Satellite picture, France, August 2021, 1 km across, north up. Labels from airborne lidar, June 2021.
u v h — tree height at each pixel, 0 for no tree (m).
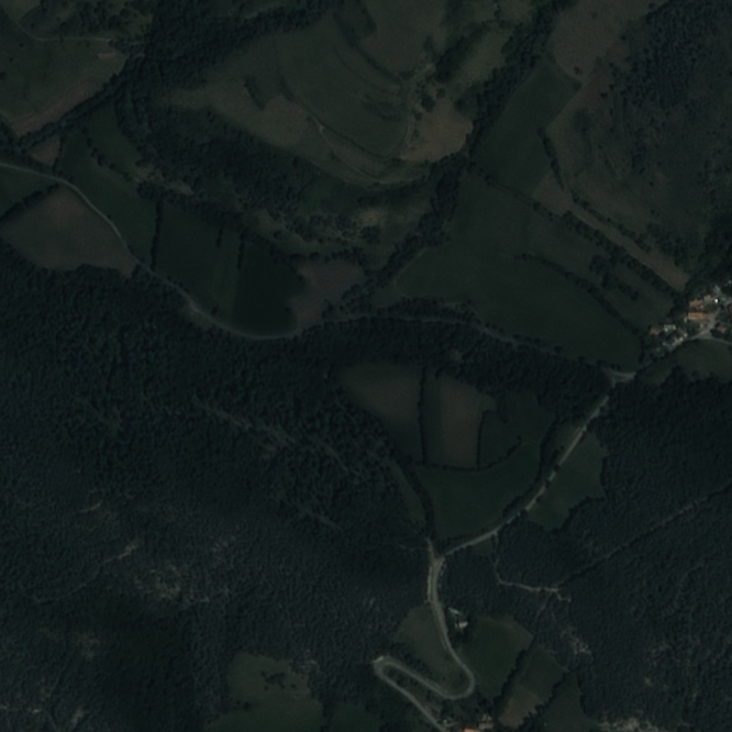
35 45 0
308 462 22
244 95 0
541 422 0
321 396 28
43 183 0
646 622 15
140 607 13
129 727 12
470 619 12
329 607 11
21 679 11
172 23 8
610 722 8
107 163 9
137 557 7
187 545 10
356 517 17
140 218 0
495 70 11
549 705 6
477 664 0
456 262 0
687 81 13
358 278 0
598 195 0
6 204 0
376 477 16
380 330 15
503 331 8
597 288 9
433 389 0
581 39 0
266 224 0
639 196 0
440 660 0
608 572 13
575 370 18
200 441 20
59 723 9
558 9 9
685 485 19
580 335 0
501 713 14
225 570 8
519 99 0
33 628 8
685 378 12
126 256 0
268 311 0
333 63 0
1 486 19
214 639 13
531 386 20
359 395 0
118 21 9
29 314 24
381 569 11
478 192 0
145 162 11
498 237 0
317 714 0
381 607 10
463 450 0
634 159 9
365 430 24
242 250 10
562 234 0
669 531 11
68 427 24
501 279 0
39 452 16
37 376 25
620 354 0
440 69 10
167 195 14
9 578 19
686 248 12
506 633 0
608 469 11
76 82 0
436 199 14
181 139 14
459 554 9
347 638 13
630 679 10
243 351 11
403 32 0
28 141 7
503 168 0
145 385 16
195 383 19
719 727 13
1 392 17
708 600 10
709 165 8
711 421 18
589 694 12
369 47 0
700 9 9
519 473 0
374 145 0
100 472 23
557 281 0
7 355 18
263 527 10
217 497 17
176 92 0
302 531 17
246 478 20
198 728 18
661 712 11
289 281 0
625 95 9
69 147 0
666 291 7
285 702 0
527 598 6
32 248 0
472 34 8
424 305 17
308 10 10
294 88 0
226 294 0
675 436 19
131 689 25
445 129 0
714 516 11
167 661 21
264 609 9
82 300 20
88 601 9
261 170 15
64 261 0
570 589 9
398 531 12
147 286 10
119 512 10
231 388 8
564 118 0
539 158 0
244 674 0
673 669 8
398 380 0
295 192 9
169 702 23
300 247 0
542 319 0
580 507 8
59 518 8
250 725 0
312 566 12
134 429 17
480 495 0
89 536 7
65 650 8
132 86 14
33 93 0
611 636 8
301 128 0
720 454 23
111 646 10
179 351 23
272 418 23
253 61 0
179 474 15
